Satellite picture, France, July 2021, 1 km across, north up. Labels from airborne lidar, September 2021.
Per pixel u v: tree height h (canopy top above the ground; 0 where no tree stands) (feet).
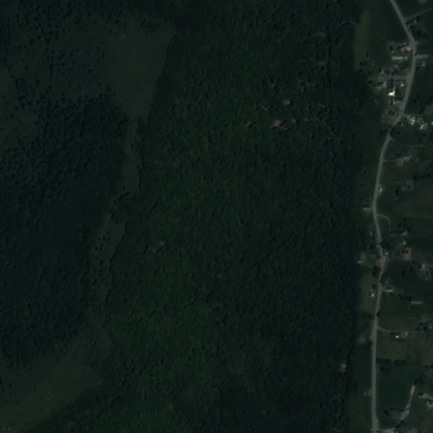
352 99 106
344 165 72
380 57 0
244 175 86
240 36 77
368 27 0
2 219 78
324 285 79
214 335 148
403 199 0
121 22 49
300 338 76
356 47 0
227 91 83
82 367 0
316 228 99
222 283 95
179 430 42
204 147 95
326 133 87
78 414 54
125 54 0
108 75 0
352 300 72
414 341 0
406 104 0
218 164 40
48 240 83
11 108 0
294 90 91
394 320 0
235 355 74
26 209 79
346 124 116
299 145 92
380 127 0
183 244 91
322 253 66
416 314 0
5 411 0
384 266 0
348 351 24
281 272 86
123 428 63
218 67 94
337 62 100
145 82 0
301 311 80
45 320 47
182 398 76
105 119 72
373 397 0
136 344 92
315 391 63
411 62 0
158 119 68
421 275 0
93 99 41
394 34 0
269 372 97
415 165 0
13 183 26
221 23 73
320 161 98
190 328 94
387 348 0
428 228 0
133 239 83
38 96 0
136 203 72
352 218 63
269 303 111
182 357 110
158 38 0
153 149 92
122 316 89
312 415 28
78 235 78
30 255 63
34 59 0
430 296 0
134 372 89
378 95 0
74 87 0
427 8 0
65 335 42
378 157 0
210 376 78
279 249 72
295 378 60
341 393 54
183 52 102
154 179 91
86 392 22
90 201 77
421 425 0
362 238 28
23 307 78
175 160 109
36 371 0
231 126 99
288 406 85
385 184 0
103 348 0
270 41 84
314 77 100
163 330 74
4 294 87
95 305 37
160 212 93
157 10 46
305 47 106
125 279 89
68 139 27
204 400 70
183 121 105
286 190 86
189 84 98
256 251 74
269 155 102
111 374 64
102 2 64
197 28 65
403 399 0
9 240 86
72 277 69
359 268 97
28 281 81
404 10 0
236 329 98
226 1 89
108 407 54
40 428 21
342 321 45
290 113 108
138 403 62
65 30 35
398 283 0
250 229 101
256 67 91
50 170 48
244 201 106
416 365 0
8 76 0
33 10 24
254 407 75
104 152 83
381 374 0
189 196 114
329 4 94
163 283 76
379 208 0
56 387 0
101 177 83
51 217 86
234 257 105
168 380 83
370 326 0
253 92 77
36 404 0
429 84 0
